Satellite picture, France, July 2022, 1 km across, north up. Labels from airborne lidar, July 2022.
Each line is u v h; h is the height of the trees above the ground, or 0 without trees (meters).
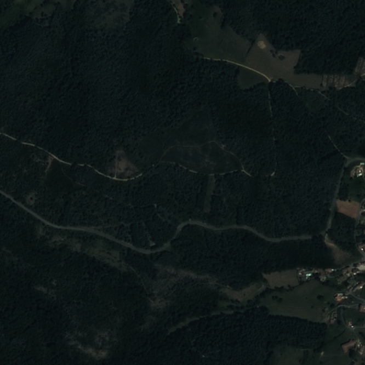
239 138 15
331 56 18
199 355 19
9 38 22
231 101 13
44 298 9
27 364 16
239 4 10
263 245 10
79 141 18
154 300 7
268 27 7
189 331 19
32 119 15
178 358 18
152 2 11
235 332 20
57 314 22
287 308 0
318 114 8
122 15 0
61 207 10
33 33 28
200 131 0
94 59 15
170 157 0
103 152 6
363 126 7
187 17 16
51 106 18
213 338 13
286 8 18
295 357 0
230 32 0
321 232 7
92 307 7
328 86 0
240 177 15
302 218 16
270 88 19
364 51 13
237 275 22
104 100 16
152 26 15
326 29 19
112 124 6
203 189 18
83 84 17
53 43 15
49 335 22
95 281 16
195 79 14
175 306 15
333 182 18
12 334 9
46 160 12
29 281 15
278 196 10
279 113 13
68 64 15
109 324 9
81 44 18
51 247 9
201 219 7
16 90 14
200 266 13
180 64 21
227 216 12
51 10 0
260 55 0
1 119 11
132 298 23
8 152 10
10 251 9
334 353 0
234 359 26
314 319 0
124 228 10
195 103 13
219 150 0
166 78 22
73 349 11
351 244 15
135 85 15
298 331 27
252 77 0
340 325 11
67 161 11
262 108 19
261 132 14
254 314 18
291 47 21
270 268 17
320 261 10
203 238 7
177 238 7
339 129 7
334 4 23
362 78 15
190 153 0
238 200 9
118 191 9
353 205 0
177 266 14
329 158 29
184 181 13
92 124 13
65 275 12
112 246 6
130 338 18
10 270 14
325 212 19
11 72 16
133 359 22
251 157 10
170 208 9
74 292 15
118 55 14
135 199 20
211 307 21
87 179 12
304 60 11
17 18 6
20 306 12
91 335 7
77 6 21
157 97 16
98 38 14
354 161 0
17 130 6
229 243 30
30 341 13
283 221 19
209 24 0
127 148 10
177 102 9
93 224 9
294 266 17
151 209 22
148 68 15
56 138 14
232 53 0
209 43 0
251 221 23
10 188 10
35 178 12
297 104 27
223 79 17
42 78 20
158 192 20
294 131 19
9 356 14
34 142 9
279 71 0
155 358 20
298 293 0
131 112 29
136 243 18
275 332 31
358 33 9
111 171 0
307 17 19
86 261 13
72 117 20
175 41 23
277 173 10
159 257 18
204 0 12
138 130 17
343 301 0
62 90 17
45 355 10
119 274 17
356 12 23
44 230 7
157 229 13
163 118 21
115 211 15
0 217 15
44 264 12
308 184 13
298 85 0
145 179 15
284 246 9
